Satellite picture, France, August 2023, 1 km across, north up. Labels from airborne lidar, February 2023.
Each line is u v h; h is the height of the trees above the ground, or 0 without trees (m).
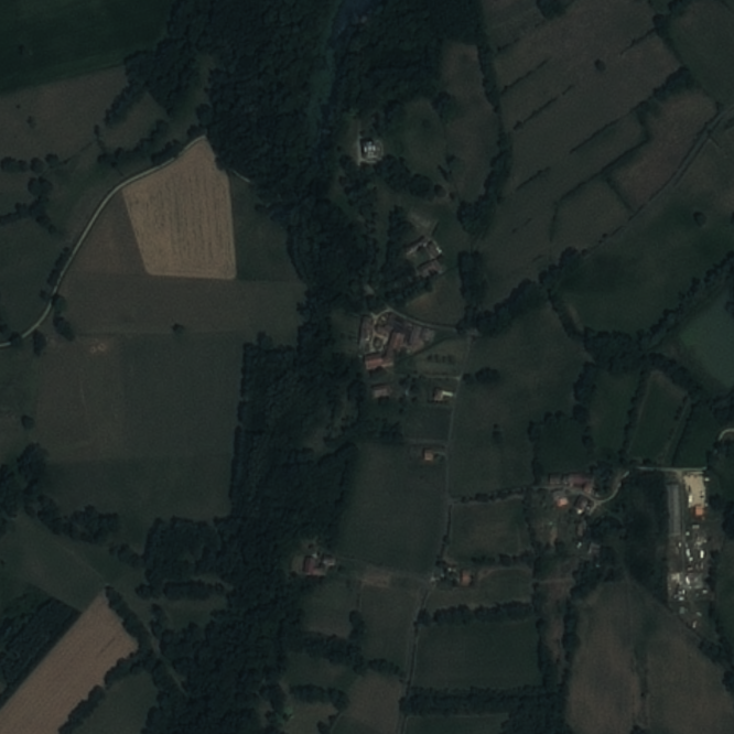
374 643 0
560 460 0
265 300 0
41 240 0
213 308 0
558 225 0
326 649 18
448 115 28
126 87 0
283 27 21
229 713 8
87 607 0
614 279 0
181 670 23
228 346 0
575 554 0
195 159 0
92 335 0
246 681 18
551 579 0
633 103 0
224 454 0
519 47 0
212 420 0
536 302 25
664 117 0
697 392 16
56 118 0
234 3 15
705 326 0
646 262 0
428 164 0
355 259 16
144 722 0
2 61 0
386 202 0
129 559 19
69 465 0
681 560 0
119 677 14
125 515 0
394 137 21
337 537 11
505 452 0
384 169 22
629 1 0
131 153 6
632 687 0
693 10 0
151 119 0
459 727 0
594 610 0
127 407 0
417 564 0
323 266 24
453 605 0
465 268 20
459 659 0
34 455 21
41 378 0
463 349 0
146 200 0
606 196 0
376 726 0
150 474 0
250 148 18
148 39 0
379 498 0
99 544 20
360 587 0
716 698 0
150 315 0
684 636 0
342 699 18
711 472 11
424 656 0
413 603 0
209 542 26
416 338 0
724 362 0
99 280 0
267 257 0
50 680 0
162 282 0
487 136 0
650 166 0
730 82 0
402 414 9
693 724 0
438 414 0
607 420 0
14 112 0
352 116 17
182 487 0
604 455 0
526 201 0
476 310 8
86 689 0
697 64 0
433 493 0
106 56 0
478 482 0
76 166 0
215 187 0
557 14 16
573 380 0
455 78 0
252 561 18
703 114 0
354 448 14
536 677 0
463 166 12
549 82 0
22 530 0
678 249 0
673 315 14
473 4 15
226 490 0
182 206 0
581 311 0
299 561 0
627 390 0
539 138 0
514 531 0
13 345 19
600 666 0
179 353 0
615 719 0
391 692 0
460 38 24
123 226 0
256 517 18
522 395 0
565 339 0
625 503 6
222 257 0
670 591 0
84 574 0
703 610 0
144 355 0
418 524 0
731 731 0
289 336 0
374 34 19
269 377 8
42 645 12
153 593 17
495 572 0
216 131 15
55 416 0
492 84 18
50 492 0
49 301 15
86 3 0
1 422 0
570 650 18
